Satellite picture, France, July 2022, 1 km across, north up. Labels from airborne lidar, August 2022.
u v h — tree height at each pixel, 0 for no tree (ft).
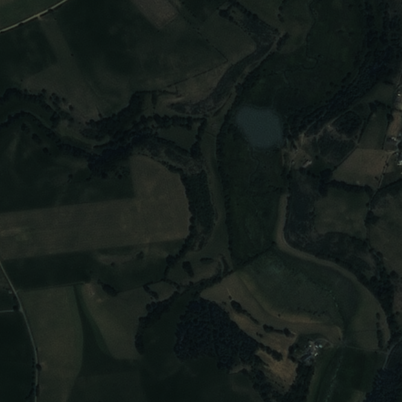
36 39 0
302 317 0
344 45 0
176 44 0
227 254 0
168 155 0
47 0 0
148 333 0
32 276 0
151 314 55
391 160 0
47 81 0
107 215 0
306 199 0
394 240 0
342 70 0
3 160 0
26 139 0
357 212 0
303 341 0
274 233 0
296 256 0
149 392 0
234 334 115
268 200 0
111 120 43
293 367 0
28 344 0
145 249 0
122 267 0
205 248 0
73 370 0
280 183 0
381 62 44
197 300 21
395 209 0
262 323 0
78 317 0
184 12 0
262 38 0
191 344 61
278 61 0
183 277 0
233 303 52
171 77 0
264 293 0
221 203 0
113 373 0
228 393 0
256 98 0
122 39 0
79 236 0
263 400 23
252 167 0
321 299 0
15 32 0
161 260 0
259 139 0
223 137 28
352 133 28
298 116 61
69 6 0
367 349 0
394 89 0
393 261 0
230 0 57
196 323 49
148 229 0
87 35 0
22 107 0
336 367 0
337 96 26
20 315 0
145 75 0
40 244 0
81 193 0
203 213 18
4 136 0
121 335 0
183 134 0
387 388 91
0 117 0
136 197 0
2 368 0
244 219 0
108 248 0
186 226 0
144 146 0
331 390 0
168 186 0
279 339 0
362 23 0
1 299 0
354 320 0
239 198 0
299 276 0
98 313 0
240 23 0
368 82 24
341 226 0
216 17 0
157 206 0
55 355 0
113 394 0
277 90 0
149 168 0
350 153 0
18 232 0
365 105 0
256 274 0
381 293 74
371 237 0
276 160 0
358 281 25
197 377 0
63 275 0
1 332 0
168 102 0
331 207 0
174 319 0
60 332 0
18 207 0
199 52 0
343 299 0
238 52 0
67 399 0
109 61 0
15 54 0
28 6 0
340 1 0
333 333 0
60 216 0
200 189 27
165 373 0
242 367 0
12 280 0
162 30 0
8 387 0
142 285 0
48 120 0
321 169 0
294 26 0
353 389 0
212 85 0
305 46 0
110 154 115
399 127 0
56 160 0
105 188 0
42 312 0
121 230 0
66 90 0
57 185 0
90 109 0
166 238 0
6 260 0
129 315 0
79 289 0
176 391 0
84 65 0
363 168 0
